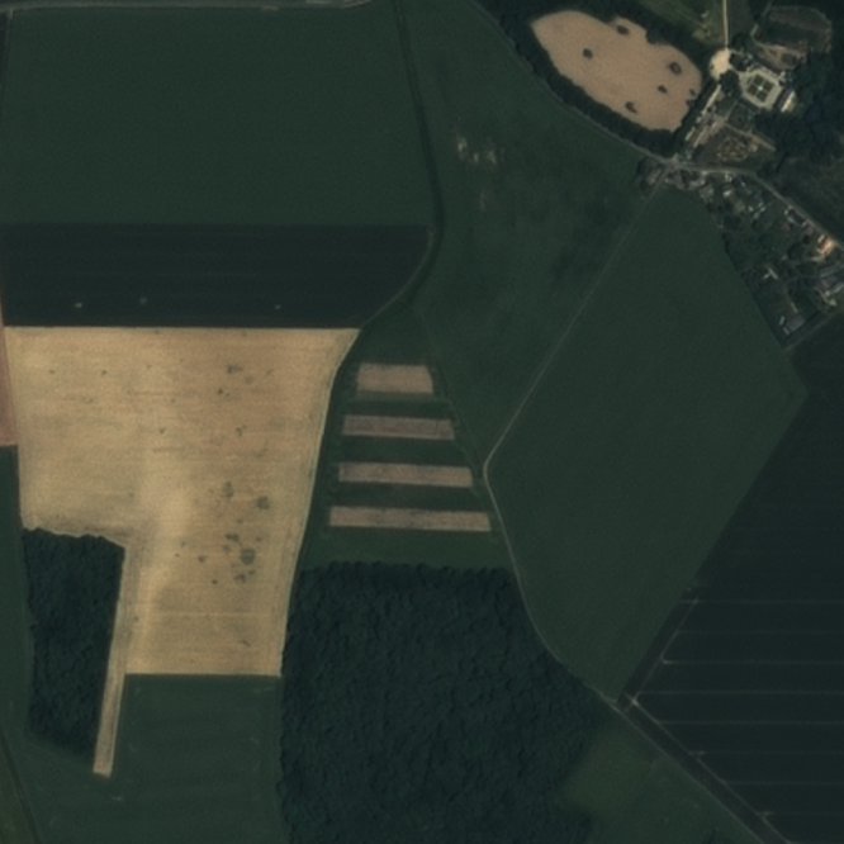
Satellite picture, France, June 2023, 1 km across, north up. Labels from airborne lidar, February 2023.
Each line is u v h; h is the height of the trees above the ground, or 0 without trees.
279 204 0
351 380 0
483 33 0
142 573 0
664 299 0
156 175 0
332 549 0
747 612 0
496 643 23
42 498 0
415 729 22
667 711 0
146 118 0
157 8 0
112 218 0
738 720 0
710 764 0
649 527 0
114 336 0
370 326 0
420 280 0
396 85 0
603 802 0
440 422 0
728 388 0
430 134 0
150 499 0
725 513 0
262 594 0
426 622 19
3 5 0
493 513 0
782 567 0
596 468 0
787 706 0
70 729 12
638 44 0
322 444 0
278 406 0
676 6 0
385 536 0
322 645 17
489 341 0
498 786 19
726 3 0
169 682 0
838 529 0
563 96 17
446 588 25
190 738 0
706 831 0
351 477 0
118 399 0
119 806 0
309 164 0
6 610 0
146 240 0
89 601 10
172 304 0
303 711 16
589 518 0
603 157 0
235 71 0
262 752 0
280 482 0
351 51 0
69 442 0
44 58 0
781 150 12
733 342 0
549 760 20
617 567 0
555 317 0
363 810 20
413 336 0
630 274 0
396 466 0
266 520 0
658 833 0
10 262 0
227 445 0
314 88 0
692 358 0
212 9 0
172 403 0
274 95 0
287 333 0
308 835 19
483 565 0
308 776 20
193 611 0
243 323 0
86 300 0
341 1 0
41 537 15
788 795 0
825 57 7
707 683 0
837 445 0
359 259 0
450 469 0
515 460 0
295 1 0
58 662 14
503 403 0
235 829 0
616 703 0
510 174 0
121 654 0
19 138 0
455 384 0
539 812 20
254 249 0
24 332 0
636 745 0
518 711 20
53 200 0
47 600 16
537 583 0
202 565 0
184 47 0
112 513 0
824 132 24
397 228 0
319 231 0
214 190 0
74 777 0
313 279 0
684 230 0
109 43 0
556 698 21
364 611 21
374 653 22
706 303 0
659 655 0
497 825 21
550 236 0
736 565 0
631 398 0
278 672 0
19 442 0
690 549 0
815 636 0
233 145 0
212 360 0
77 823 0
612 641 0
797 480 0
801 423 0
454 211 0
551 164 0
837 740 0
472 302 0
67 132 0
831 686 0
